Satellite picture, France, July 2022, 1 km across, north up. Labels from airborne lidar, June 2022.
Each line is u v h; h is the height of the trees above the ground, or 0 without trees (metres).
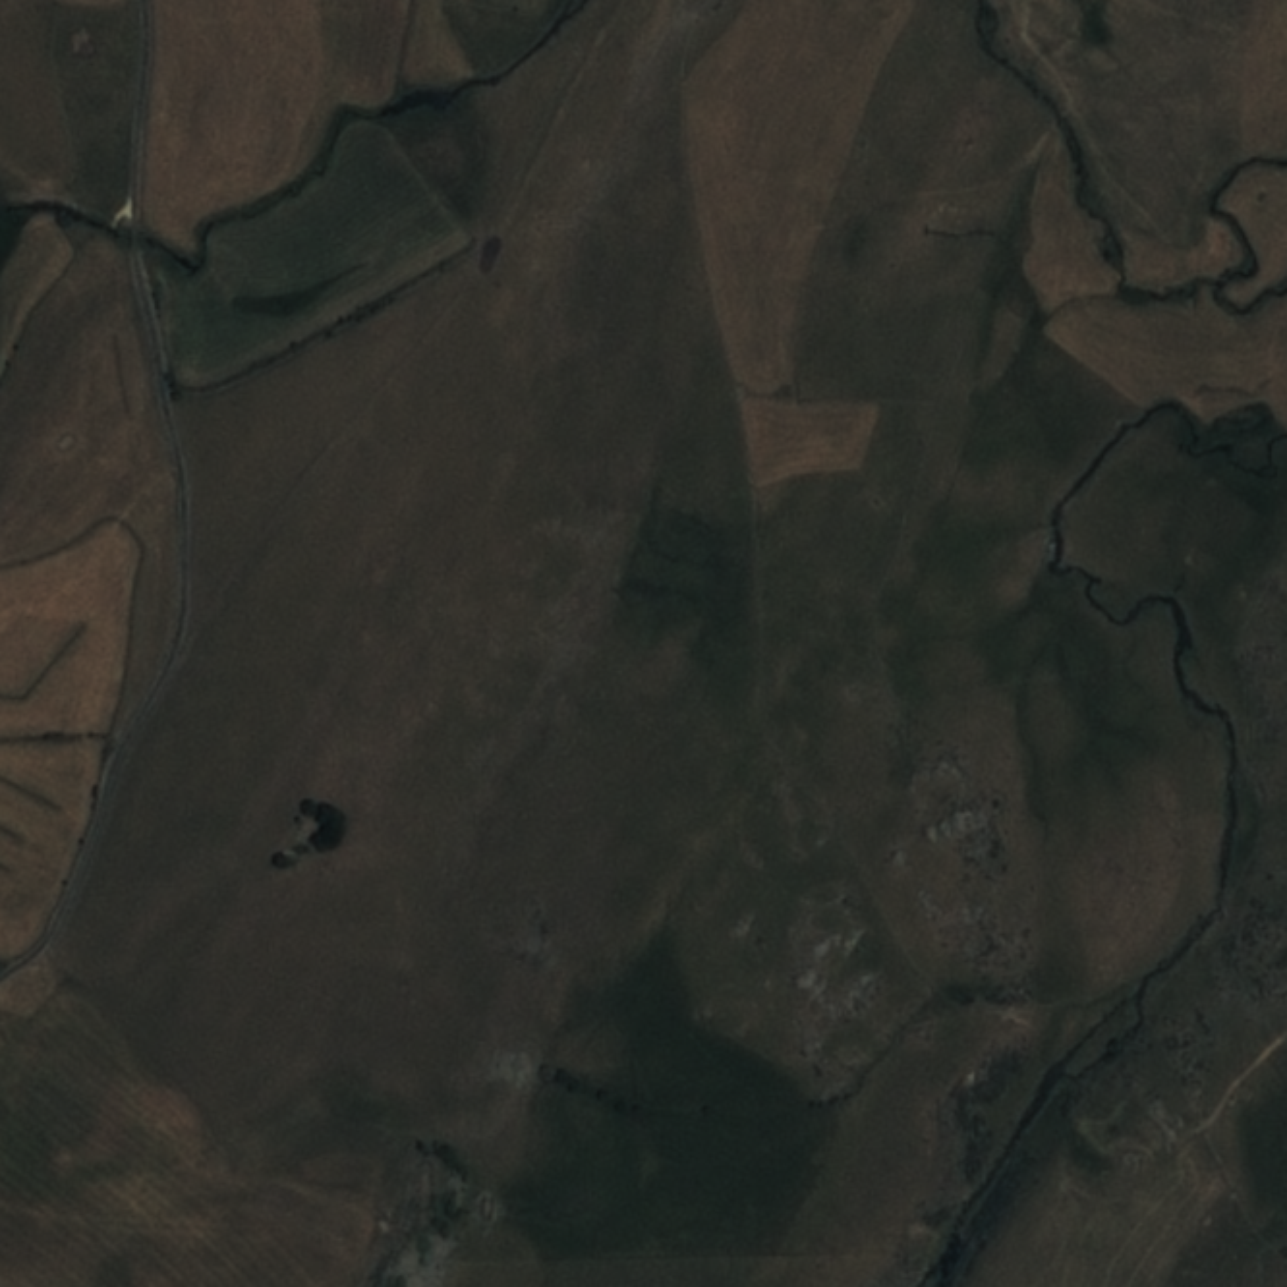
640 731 0
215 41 0
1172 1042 0
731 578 0
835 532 0
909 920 0
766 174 0
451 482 0
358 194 0
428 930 0
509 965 0
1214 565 0
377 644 0
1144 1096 0
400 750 0
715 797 0
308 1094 0
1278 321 0
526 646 0
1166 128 0
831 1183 0
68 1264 0
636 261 0
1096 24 0
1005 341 0
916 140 0
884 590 0
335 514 0
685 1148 0
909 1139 0
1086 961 0
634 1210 0
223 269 0
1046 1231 0
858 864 0
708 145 0
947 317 0
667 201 0
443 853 0
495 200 0
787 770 0
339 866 0
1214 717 0
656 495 0
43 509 0
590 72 0
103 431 0
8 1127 0
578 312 0
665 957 0
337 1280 0
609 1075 0
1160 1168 0
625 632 0
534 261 0
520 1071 0
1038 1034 0
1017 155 0
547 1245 0
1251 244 0
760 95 0
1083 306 0
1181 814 0
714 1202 0
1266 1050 0
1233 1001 0
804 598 0
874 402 0
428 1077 0
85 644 0
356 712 0
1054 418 0
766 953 0
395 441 0
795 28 0
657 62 0
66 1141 0
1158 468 0
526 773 0
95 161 0
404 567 0
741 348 0
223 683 0
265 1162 0
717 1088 0
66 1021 0
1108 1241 0
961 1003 0
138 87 0
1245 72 0
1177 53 0
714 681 0
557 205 0
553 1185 0
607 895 0
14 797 0
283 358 0
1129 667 0
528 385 0
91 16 0
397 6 0
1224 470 0
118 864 0
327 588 0
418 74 0
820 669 0
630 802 0
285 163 0
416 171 0
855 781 0
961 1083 0
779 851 0
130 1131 0
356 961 0
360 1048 0
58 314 0
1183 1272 0
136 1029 0
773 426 0
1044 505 0
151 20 0
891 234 0
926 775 0
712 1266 0
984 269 0
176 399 7
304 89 0
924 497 0
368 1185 0
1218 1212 0
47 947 0
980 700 0
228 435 0
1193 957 0
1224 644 0
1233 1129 0
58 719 0
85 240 0
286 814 0
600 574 0
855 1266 0
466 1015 0
